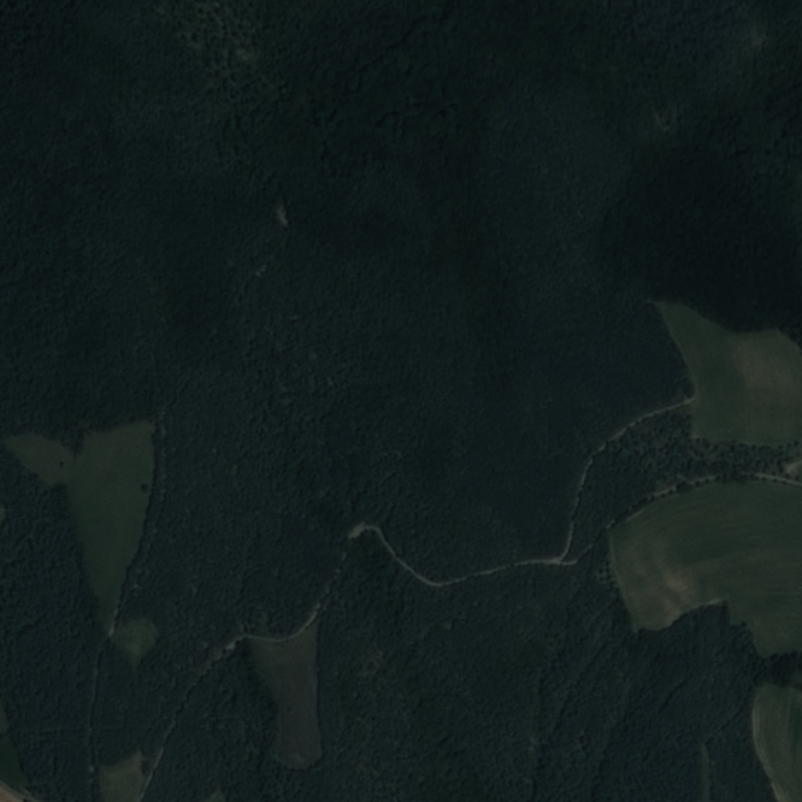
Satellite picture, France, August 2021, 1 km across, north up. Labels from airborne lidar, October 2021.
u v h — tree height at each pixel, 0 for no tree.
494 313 15
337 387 12
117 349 11
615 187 10
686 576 0
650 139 7
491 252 17
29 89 16
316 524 15
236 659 9
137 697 11
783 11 13
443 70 26
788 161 8
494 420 12
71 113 17
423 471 9
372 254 14
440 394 9
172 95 13
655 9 14
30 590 12
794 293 20
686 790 6
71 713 13
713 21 16
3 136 14
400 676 7
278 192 6
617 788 9
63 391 10
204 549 9
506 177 16
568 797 13
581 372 11
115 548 0
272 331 9
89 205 19
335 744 10
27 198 16
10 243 15
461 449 8
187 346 14
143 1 11
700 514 0
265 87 19
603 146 11
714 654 8
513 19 15
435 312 8
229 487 10
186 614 11
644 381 10
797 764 0
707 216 20
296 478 13
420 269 15
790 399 0
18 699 12
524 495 13
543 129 10
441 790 12
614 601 8
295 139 22
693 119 17
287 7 12
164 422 8
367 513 9
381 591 19
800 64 16
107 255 13
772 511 0
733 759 12
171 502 10
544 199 13
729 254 18
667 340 11
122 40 11
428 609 9
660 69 11
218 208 15
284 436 14
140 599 11
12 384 11
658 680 11
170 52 13
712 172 23
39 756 11
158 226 13
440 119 28
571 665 9
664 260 15
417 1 17
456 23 15
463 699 11
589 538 8
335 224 20
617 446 12
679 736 7
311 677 0
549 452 12
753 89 13
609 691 10
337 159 25
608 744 9
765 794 8
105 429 7
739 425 0
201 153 13
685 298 16
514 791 14
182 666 9
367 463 11
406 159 20
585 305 11
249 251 10
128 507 0
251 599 12
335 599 10
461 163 21
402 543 8
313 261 13
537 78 14
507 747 11
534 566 6
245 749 11
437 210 20
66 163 16
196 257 14
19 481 11
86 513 0
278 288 11
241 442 7
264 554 17
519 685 12
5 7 12
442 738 10
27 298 11
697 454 8
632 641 12
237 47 20
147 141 10
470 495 9
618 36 16
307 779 11
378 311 16
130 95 10
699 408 0
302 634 0
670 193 17
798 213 9
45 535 16
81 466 0
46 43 16
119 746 11
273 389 13
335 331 7
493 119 7
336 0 11
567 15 16
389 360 11
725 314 14
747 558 0
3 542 12
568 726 10
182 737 8
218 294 10
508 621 9
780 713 0
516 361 16
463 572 8
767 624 0
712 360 0
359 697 12
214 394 10
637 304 13
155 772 9
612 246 18
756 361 0
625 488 11
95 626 11
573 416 11
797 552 0
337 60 17
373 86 31
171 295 14
